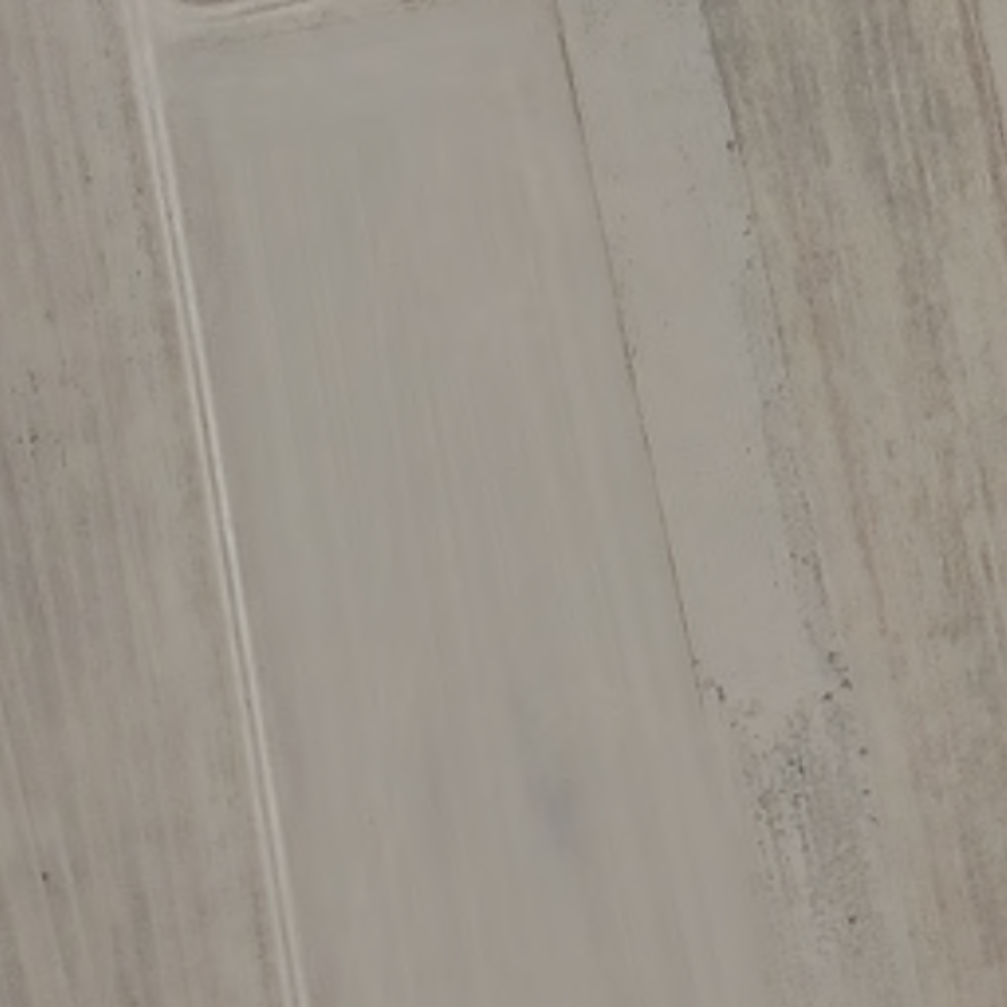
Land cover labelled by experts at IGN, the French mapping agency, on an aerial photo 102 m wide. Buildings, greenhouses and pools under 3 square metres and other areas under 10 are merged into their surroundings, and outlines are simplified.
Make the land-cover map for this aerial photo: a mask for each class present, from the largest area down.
<instances>
[{"label":"agricultural land","instance_id":"1","mask_svg":"<svg viewBox=\"0 0 1007 1007\"><path fill-rule=\"evenodd\" d=\"M0 1007H283L271 960L256 822L248 802V771L224 649V614L208 559V519L197 476L177 319L169 303L157 205L149 189L146 138L118 0H0ZM185 236L197 275V307L205 326L208 374L232 488L244 598L267 708V740L275 763V791L283 814L311 1007H1007V0H378L354 16L326 8L311 24L283 20L279 28L189 35L157 51Z\"/></svg>","mask_w":1007,"mask_h":1007},{"label":"pervious surface","instance_id":"2","mask_svg":"<svg viewBox=\"0 0 1007 1007\"><path fill-rule=\"evenodd\" d=\"M378 0H118L146 138L149 189L157 205L169 303L177 319L197 476L208 519V559L224 614V649L248 771V802L256 822L271 960L283 1007H311L283 814L275 791V763L267 740V708L244 598L232 488L208 374L205 326L197 307V275L185 236L157 51L189 35L279 28L283 20L311 24L326 8L354 16Z\"/></svg>","mask_w":1007,"mask_h":1007}]
</instances>
